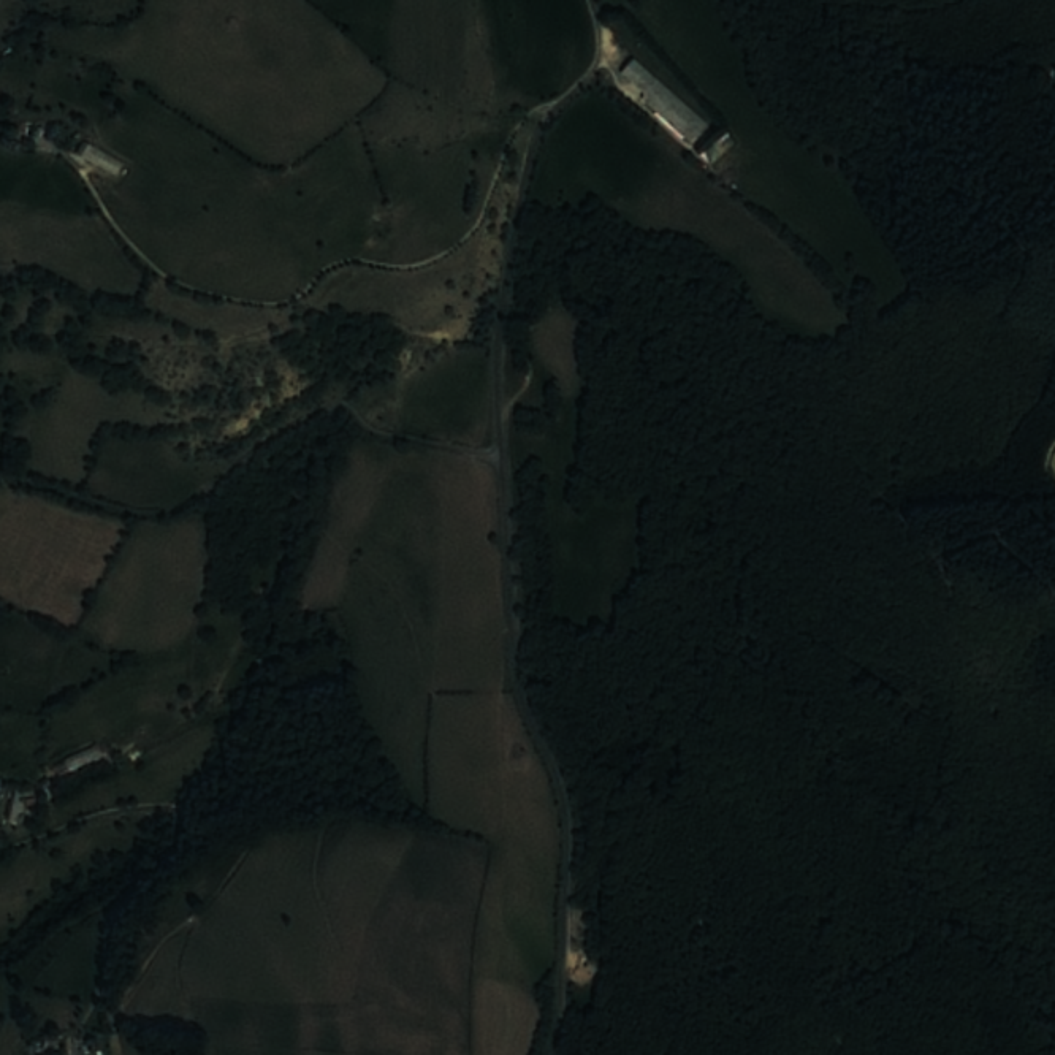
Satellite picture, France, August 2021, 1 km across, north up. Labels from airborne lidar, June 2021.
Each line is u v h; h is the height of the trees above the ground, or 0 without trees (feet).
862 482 69
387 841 0
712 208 0
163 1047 76
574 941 19
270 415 30
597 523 0
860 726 85
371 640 0
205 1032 46
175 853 65
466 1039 0
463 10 0
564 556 0
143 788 0
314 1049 0
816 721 94
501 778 0
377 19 0
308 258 0
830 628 83
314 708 64
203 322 0
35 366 0
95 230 0
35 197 0
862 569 83
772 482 92
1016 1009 73
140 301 36
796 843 56
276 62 0
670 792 25
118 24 20
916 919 60
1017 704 41
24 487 37
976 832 51
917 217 95
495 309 39
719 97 0
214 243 0
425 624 0
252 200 0
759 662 89
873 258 0
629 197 0
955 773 71
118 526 0
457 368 0
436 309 0
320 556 0
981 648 17
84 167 0
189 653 0
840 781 75
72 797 37
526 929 0
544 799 0
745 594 106
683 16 0
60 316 0
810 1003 64
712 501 52
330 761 73
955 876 72
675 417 87
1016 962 100
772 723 91
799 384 66
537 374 0
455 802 0
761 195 0
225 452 30
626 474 79
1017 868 80
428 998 0
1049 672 78
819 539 85
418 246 0
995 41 34
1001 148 79
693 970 69
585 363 55
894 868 65
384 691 0
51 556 0
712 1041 56
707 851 47
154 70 0
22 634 0
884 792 34
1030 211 83
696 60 0
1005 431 70
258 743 62
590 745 66
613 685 90
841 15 69
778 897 53
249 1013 0
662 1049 44
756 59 49
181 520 38
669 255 60
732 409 78
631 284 83
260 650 39
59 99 0
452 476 0
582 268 72
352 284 0
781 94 63
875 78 74
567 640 87
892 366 70
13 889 0
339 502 0
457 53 0
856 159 58
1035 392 58
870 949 63
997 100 84
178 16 0
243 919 0
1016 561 99
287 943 0
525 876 0
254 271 0
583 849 42
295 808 68
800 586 82
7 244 0
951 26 34
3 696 0
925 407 76
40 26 42
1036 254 69
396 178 0
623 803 63
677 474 94
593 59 0
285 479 49
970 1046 44
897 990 58
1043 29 25
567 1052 54
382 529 0
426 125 0
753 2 51
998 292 58
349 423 38
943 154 105
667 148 0
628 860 62
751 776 77
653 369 102
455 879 0
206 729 0
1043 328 63
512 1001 0
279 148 0
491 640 0
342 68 0
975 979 68
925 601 57
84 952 0
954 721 56
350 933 0
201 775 26
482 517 0
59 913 39
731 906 60
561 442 0
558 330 0
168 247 0
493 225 24
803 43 73
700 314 89
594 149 0
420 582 0
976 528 95
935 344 73
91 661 0
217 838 78
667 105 0
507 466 0
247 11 0
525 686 36
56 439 0
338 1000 0
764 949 59
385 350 49
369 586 0
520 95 0
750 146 0
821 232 0
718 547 89
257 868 0
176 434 31
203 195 0
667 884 52
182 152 0
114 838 0
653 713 85
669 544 75
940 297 76
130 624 0
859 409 72
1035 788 51
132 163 0
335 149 0
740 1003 67
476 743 0
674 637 89
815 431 69
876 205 97
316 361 39
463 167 0
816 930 57
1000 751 44
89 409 0
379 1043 0
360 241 0
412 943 0
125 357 41
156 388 27
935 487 40
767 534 82
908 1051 58
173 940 0
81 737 0
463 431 0
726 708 92
